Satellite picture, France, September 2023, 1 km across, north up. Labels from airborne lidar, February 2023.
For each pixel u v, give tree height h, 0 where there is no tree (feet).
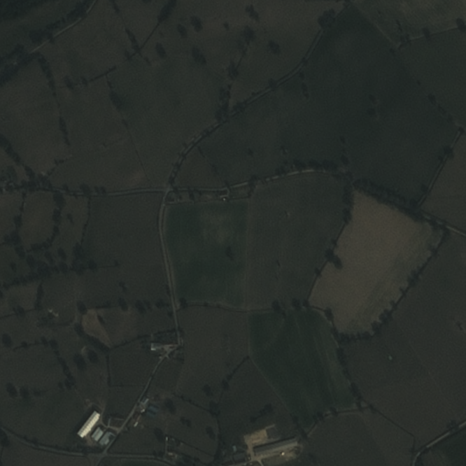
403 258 0
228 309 0
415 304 0
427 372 0
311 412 0
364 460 0
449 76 0
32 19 0
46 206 0
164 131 0
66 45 0
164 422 0
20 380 0
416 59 0
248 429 0
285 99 0
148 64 31
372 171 0
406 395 0
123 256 0
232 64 0
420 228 0
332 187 0
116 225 0
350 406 0
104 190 43
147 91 0
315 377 0
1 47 0
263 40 0
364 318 0
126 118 0
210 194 0
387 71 0
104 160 0
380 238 0
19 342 0
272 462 0
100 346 67
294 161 0
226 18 0
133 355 0
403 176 0
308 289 0
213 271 0
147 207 0
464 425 0
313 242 0
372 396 0
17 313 42
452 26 0
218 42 0
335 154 0
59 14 0
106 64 0
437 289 0
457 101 0
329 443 0
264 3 0
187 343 0
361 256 0
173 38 0
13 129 0
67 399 0
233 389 0
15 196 0
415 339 0
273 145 0
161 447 0
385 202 47
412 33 0
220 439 37
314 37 0
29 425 0
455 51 0
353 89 0
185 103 0
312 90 0
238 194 0
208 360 0
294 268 0
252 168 0
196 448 0
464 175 0
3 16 52
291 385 0
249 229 0
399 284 0
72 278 0
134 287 0
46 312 0
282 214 0
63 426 0
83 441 0
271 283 0
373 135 0
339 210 0
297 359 0
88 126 0
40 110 0
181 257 0
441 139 0
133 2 0
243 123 0
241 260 0
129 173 0
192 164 0
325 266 0
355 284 0
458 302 0
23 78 0
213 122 0
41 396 52
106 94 0
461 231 0
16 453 0
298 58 0
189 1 0
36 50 0
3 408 0
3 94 0
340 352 41
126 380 0
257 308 0
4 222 0
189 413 0
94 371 0
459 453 0
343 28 0
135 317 0
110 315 0
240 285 0
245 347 0
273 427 0
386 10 0
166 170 0
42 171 0
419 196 0
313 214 0
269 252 0
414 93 0
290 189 0
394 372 0
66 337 0
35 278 60
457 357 0
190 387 0
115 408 0
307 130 0
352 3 0
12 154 51
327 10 0
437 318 0
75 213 0
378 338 0
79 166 0
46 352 0
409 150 0
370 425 0
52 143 0
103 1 0
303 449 0
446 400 0
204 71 0
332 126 0
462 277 0
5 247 0
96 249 0
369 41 0
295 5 0
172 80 0
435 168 0
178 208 0
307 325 0
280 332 0
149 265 0
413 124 0
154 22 0
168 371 0
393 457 0
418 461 35
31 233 0
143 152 0
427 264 39
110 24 0
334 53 0
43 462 0
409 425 0
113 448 0
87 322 0
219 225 0
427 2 0
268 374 0
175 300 0
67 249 0
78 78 0
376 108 0
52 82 33
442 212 0
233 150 0
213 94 0
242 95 0
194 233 0
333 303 0
